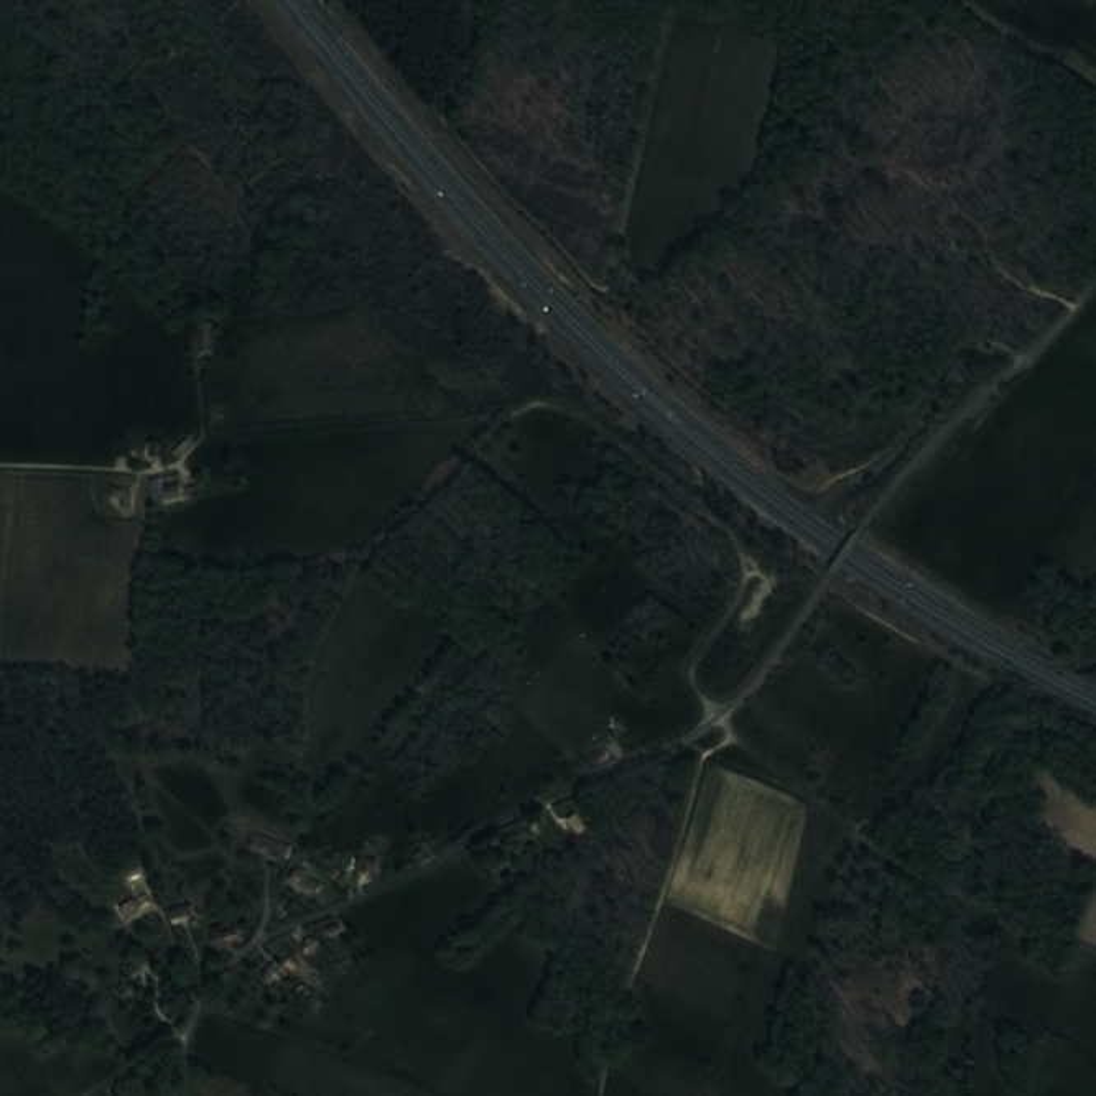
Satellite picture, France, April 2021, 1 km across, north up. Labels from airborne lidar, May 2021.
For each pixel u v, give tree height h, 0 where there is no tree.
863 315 21
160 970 15
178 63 7
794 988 21
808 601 0
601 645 0
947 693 14
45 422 0
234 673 13
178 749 13
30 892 17
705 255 19
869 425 10
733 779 0
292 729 15
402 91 0
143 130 20
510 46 14
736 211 24
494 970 0
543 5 14
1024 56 16
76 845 12
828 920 20
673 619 14
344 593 8
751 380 16
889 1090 21
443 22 17
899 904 21
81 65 14
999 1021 0
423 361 0
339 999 0
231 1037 0
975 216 17
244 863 12
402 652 0
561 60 12
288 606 17
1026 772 20
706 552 18
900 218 17
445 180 0
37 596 0
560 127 13
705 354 17
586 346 0
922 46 19
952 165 11
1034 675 0
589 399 15
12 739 21
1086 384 0
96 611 0
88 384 0
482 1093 0
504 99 14
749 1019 0
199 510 0
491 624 21
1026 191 18
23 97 15
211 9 7
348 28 0
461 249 0
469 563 18
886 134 14
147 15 9
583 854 16
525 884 18
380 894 0
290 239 17
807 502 0
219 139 0
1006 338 13
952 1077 16
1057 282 16
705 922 0
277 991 5
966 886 22
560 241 10
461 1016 0
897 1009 0
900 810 21
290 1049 0
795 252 20
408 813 0
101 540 0
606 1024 21
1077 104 20
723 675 0
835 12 19
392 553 14
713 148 0
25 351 0
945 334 21
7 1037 0
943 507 0
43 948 0
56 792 24
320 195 9
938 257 9
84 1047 11
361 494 0
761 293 18
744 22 11
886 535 0
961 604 0
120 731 18
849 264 17
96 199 14
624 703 0
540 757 0
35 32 17
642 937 13
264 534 0
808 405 14
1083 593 20
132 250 22
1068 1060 0
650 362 0
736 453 0
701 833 0
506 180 7
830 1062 21
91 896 0
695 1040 0
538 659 0
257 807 0
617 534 11
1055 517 0
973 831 32
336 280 15
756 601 0
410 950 0
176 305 16
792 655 9
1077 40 0
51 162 19
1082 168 19
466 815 0
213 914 8
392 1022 0
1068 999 0
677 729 0
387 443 0
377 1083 0
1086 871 19
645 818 21
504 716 14
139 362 0
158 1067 9
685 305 15
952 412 10
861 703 0
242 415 0
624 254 17
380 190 6
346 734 0
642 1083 0
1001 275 18
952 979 22
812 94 21
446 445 0
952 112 10
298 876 0
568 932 17
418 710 14
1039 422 0
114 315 10
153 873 7
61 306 0
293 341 0
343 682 0
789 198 19
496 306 11
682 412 0
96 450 0
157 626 17
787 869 0
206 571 15
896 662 0
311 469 0
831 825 0
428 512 15
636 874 13
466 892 0
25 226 0
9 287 0
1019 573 0
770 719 0
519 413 0
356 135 0
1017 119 16
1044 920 19
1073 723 19
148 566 14
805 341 18
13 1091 0
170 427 0
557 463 0
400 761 10
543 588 10
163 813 0
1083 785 11
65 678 17
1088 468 0
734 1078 0
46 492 0
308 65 0
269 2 0
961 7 14
